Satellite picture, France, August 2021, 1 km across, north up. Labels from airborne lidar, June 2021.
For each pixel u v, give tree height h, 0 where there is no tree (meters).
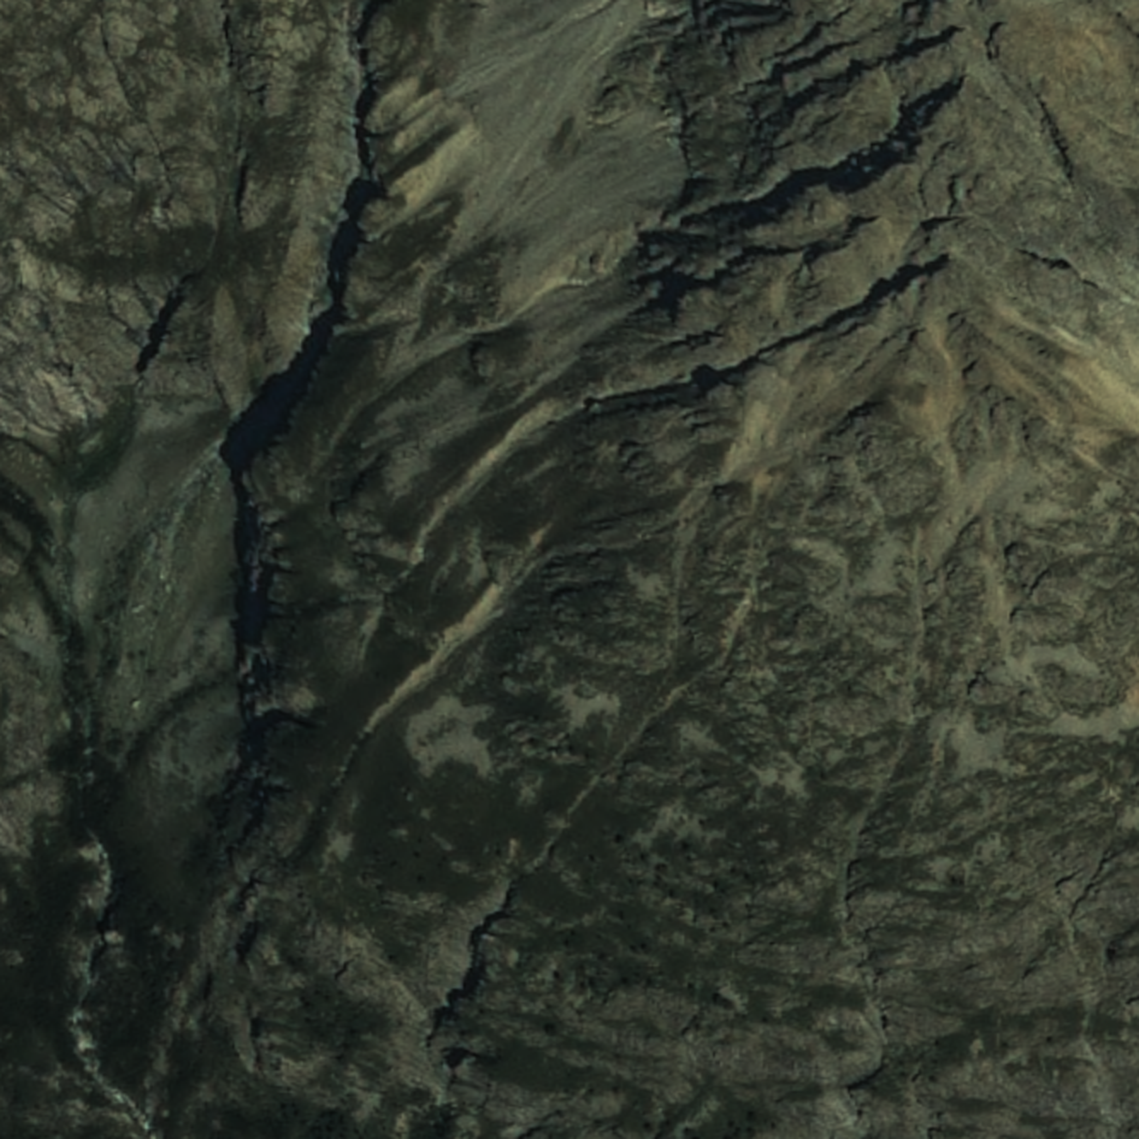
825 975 0
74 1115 0
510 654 0
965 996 0
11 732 0
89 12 0
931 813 0
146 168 0
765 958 0
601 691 0
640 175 0
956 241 0
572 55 0
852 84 0
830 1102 0
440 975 0
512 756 0
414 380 0
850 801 0
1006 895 0
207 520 0
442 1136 8
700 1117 0
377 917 0
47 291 0
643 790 0
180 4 0
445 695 0
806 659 0
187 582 0
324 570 0
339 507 0
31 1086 0
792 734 0
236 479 0
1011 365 0
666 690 0
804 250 0
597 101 0
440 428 0
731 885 0
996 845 0
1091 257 0
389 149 0
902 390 0
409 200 0
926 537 0
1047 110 0
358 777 0
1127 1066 0
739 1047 0
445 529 0
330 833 0
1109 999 0
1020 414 0
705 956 0
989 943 0
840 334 0
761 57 0
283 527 0
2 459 0
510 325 0
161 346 0
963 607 0
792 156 0
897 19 0
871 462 0
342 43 0
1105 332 0
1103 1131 0
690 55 0
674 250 0
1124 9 0
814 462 0
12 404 0
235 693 0
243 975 0
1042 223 0
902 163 0
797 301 0
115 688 0
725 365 0
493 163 0
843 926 0
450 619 0
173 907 0
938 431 0
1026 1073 0
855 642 0
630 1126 0
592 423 0
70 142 0
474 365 0
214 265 0
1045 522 0
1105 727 0
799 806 0
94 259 0
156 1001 8
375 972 0
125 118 0
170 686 0
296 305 0
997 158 0
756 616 0
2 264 0
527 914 0
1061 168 0
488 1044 0
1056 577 0
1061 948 0
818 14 0
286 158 0
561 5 0
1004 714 0
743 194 0
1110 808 0
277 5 0
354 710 0
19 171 0
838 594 0
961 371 0
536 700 0
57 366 0
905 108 0
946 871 0
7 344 0
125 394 0
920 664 0
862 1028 0
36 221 0
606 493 0
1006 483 0
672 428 0
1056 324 0
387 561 0
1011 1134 0
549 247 0
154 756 0
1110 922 0
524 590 0
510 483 0
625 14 0
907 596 0
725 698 0
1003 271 0
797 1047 0
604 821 0
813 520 0
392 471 0
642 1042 0
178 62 0
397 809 0
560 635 0
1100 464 0
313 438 0
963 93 0
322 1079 0
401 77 0
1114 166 0
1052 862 0
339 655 0
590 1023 0
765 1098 0
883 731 0
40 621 0
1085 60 0
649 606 0
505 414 0
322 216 0
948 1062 0
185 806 0
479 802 0
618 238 0
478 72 0
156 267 0
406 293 0
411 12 0
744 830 0
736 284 0
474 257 0
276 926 0
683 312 0
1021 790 0
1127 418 0
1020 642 0
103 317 0
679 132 0
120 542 0
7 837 0
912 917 0
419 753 0
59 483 0
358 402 0
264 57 0
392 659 0
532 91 0
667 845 0
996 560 0
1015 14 0
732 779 0
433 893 0
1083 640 0
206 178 0
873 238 0
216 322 0
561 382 0
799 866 0
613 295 0
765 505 0
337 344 0
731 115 0
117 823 0
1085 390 0
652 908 0
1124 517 0
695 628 0
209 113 0
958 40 0
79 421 0
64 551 0
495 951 0
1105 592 0
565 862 0
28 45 0
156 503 0
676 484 0
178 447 0
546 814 0
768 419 0
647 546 0
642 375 0
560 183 0
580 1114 0
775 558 0
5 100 0
